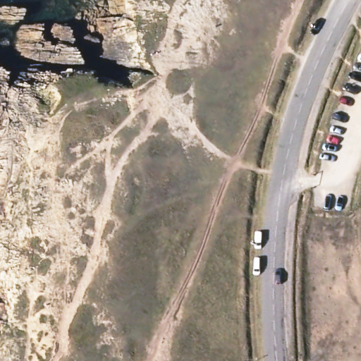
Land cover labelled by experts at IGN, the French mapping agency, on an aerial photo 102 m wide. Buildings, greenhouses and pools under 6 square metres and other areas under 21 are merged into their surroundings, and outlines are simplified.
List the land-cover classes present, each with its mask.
<instances>
[{"label":"bare soil","instance_id":"1","mask_svg":"<svg viewBox=\"0 0 361 361\"><path fill-rule=\"evenodd\" d=\"M89 6V10L80 8L75 18L87 21V30L99 31L103 35V58L113 59L118 65L137 66L154 72H157V69L151 55L159 52V42L165 37L168 17L172 14L176 0H82ZM224 4H227V18H216L214 21L216 27H223V31L219 35H214L212 41L203 42L200 51H186L189 68L172 69L166 78V89L173 96L182 94L183 102L186 104L193 103V116L190 120L196 121L204 137L228 155L237 154L238 141L243 137L245 127L244 114L238 110V104L243 100H254L261 90L262 80L267 78L271 65L272 52L276 47V37L282 20L289 16L290 4L295 0H223ZM326 0H305L290 34L289 44L295 51H299L309 27L310 18L313 14L319 13ZM25 8L0 7V20L6 21L7 24L17 23L24 18ZM42 24H30L23 25L17 32L16 48L24 58L51 63H83L78 48L52 45L42 35ZM51 31L55 38L75 41L71 27L55 24ZM299 62L290 54L283 55L279 62V69L276 72L279 85L274 99L268 104L271 109L278 106L290 73L296 71ZM10 73L0 66V361H51V345H55L56 353L59 351V326L63 319V309L71 305L75 298L76 289L86 269L87 257L92 251L93 238L86 234V230L94 228L93 216L102 203L106 190L104 162L90 158L76 168L75 172L66 171L76 159L92 151L90 142L103 140L104 128L118 126L130 114L126 96L128 89L100 85L92 71L83 72L75 69H66L58 75L54 72L28 73L30 78L35 79L34 85L16 82L10 87ZM130 89L134 92V97L147 93L157 83L154 76L148 78L138 72L130 73ZM148 111L144 110L135 116L130 127L123 128L118 133L120 144L111 148V168H116L128 145L141 130H144ZM274 123V116L268 114L261 141L252 138L243 158V162H252L259 168ZM227 172L224 168V159L207 151L196 135L189 134L188 127L178 126L171 130L166 120L161 118L152 127L151 137L131 152L127 164L123 166V172L114 185L111 213L116 214L121 220V228L116 237L107 244L109 258L103 264L107 269L114 267L116 271L113 281L107 288L110 300L107 307L113 310L117 323V329L111 331V336L123 337L126 343L124 353L130 355L133 361H144L154 330L161 322L182 275L190 244L206 214L212 190L219 183L221 175ZM258 173L251 169H240L234 173L233 180L228 186L226 199L214 226L209 254L204 267L193 281L182 323L173 333L171 361H252L250 250L251 240L254 238L252 216L257 204L255 193ZM293 361H361V195L348 196L345 206H341L340 212H337L334 207H314L313 188L303 189L299 193L293 230ZM106 333V327L104 324L93 323L92 306L80 305L69 326L71 353L61 361H118L117 358L111 357L109 345L96 347L100 336Z\"/></svg>","mask_w":361,"mask_h":361},{"label":"pervious surface","instance_id":"2","mask_svg":"<svg viewBox=\"0 0 361 361\"><path fill-rule=\"evenodd\" d=\"M305 0H295L290 4L289 16L282 20L276 37V47L272 52L271 65L267 78L262 80L261 90L254 100H243L238 104V110L244 114L245 127L243 137L238 141L237 154L228 155L204 137L196 121L190 120L193 116V103L186 104L183 102L182 94L173 96L166 89V78L172 69L189 68L186 51H200L203 42L212 41L214 35H219L223 31V27H216L214 21L216 18H227V4H224L223 0H176L172 14L168 17L165 37L159 42V52L151 55L157 69V72H154V76L157 83L147 93L134 97V92L130 89H128L126 96L130 114L118 126L104 128L103 140L90 142L92 151L76 159L66 171L75 172L76 168L90 158L104 162L106 190L102 203L93 216L94 228L86 230V234L93 238L92 251L87 257L86 269L76 289L75 298L71 305L63 309V319L59 326V351L56 353L55 345H51V361H61L71 353L69 326L80 305L92 306L93 323L104 324L106 327V333L100 336L96 347L109 345L111 357L117 358L118 361H133L130 355L124 353L126 343L123 337L111 336V331L117 329V323L113 310L107 307L110 300L107 288L113 281L116 271L114 267L107 269L103 264L109 258L107 244L116 237L121 228V220L116 214L111 213L114 185L123 172V166L127 164L131 152L151 137L152 127L161 118L166 120L171 130L178 126L188 127L189 134L196 135L207 151L224 159V168L227 172L221 175L219 183L212 190L206 214L190 244L182 275L161 322L154 330L144 361H171L173 333L182 323L193 281L204 267L209 254L214 226L226 199L228 186L233 180L234 173L240 169H251L258 173L255 193L257 204L252 216L254 238L251 240L250 250L252 361H265L261 320L262 276L259 275V258L262 254L259 247L262 230H265L264 207L267 202L268 180L272 175V166L269 164L278 138L276 133L281 124L286 97L296 71L290 73L278 106L271 109L268 104L274 99L279 85L276 72L279 69V62L283 55L290 54L299 62L300 55L305 52L314 35L313 28L309 27L299 51H295L289 44L290 34ZM144 110L148 111L144 130H141L128 145L116 168H111V148L120 144L118 133L123 128L130 127L135 116ZM268 114L274 116V123L259 168L252 162H243V158L252 138L261 141ZM313 188L314 207H334L337 212H340L341 206H345L348 196L361 195V16L357 18V24H354L348 35L331 76L330 85L324 93L307 148L305 168L298 169L293 176L292 189L299 193L303 189Z\"/></svg>","mask_w":361,"mask_h":361},{"label":"impervious surface","instance_id":"3","mask_svg":"<svg viewBox=\"0 0 361 361\"><path fill-rule=\"evenodd\" d=\"M361 16V0H326L319 13L313 14L310 18L309 27L313 28L314 35L305 52L300 55L299 62L296 71L286 97L281 124L276 133L278 138L269 164L272 166V175L268 180L267 202L264 207L265 230H262L259 247L262 254L259 258V275L262 276L261 320L265 361H293V230L299 193L292 189L293 176L298 169L305 168L307 148L324 93L330 85L331 76L348 35L354 24H357V18Z\"/></svg>","mask_w":361,"mask_h":361},{"label":"water","instance_id":"4","mask_svg":"<svg viewBox=\"0 0 361 361\"><path fill-rule=\"evenodd\" d=\"M25 8L24 18L17 23L7 24L6 21L0 20V66L10 73V87L16 82L34 85L35 79L30 78L28 73L54 72L58 75L66 69H75L83 72L92 71L100 85L128 89H130V73L138 72L148 78L154 76V72L137 66L118 65L113 59L103 58V35L99 31L87 30V21L75 18L80 8L89 10V6L82 0H0V7ZM30 24H42V35L52 45L78 48L83 63H51L24 58L16 48L17 32L23 25ZM55 24L71 27L75 41L55 38L51 31Z\"/></svg>","mask_w":361,"mask_h":361}]
</instances>
